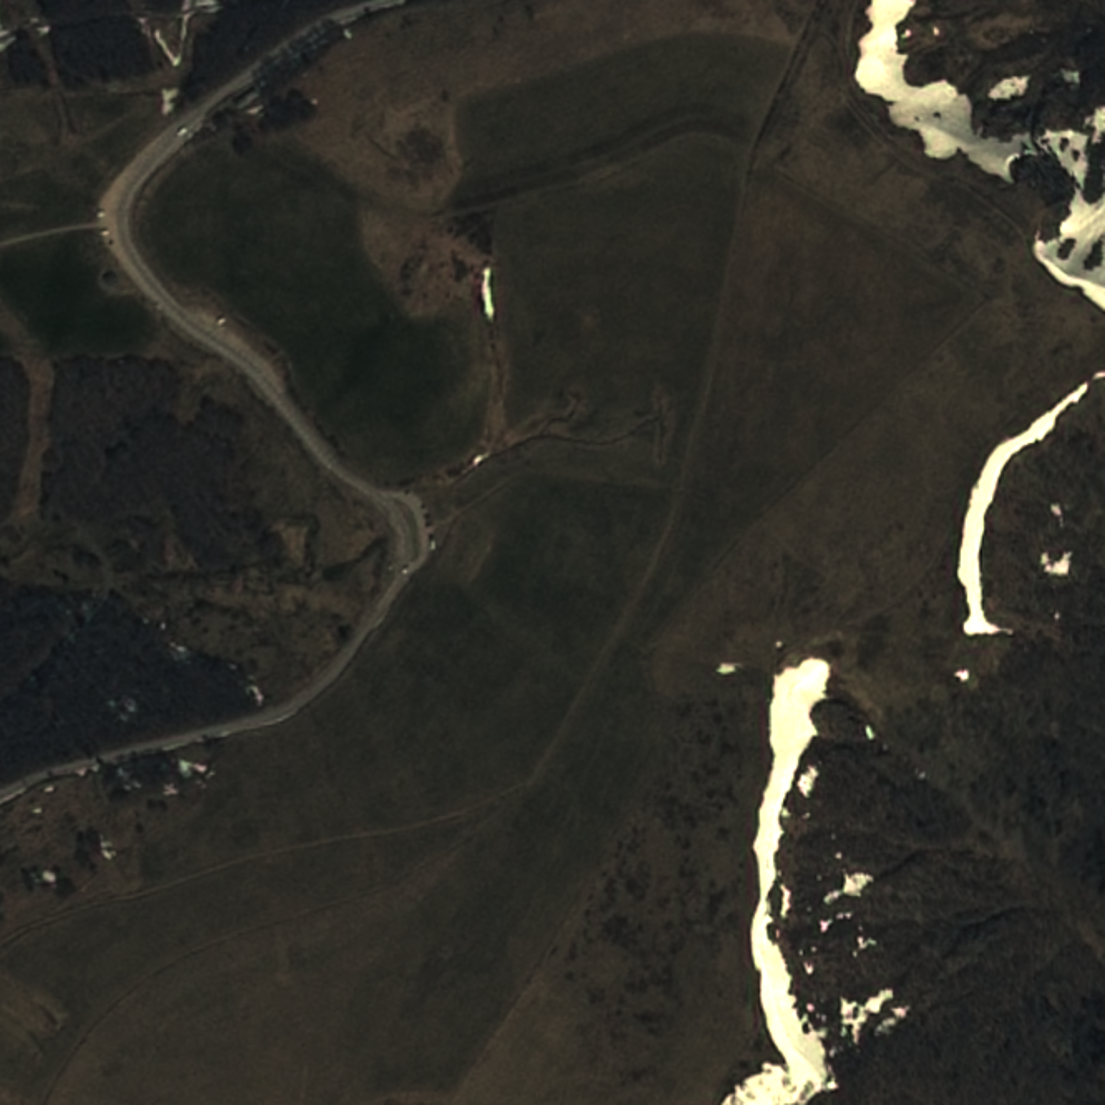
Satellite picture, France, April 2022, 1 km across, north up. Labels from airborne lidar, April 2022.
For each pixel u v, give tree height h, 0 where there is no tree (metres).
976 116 0
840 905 11
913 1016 10
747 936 0
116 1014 0
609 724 0
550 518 0
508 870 0
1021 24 0
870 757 10
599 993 0
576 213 0
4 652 17
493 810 0
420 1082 0
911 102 0
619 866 0
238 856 0
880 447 0
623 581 0
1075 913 10
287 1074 0
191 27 0
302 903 0
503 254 0
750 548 0
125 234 0
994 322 0
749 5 0
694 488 0
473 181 0
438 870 0
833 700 7
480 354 0
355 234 0
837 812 7
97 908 0
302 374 0
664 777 0
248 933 0
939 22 0
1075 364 0
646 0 0
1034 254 0
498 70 0
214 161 0
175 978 0
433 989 0
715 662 0
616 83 0
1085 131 9
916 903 6
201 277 0
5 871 0
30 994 0
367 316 0
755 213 0
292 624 0
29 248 0
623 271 0
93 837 9
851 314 0
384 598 0
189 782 7
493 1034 0
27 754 13
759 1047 0
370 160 0
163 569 7
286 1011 0
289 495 0
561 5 0
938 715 6
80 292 0
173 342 0
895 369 0
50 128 0
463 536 0
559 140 0
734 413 0
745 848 0
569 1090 0
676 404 0
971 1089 17
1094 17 0
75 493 17
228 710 9
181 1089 0
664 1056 0
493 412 0
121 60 13
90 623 7
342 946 0
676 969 0
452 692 0
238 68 7
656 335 0
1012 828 27
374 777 0
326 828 0
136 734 12
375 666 0
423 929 0
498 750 0
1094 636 9
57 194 0
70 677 14
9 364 10
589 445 0
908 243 0
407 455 0
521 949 0
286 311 0
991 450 0
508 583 0
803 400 0
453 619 0
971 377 0
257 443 0
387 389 0
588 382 0
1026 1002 15
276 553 8
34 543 0
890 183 0
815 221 0
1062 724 23
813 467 0
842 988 10
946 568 0
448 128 0
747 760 0
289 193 0
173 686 14
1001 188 0
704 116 0
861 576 0
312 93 0
